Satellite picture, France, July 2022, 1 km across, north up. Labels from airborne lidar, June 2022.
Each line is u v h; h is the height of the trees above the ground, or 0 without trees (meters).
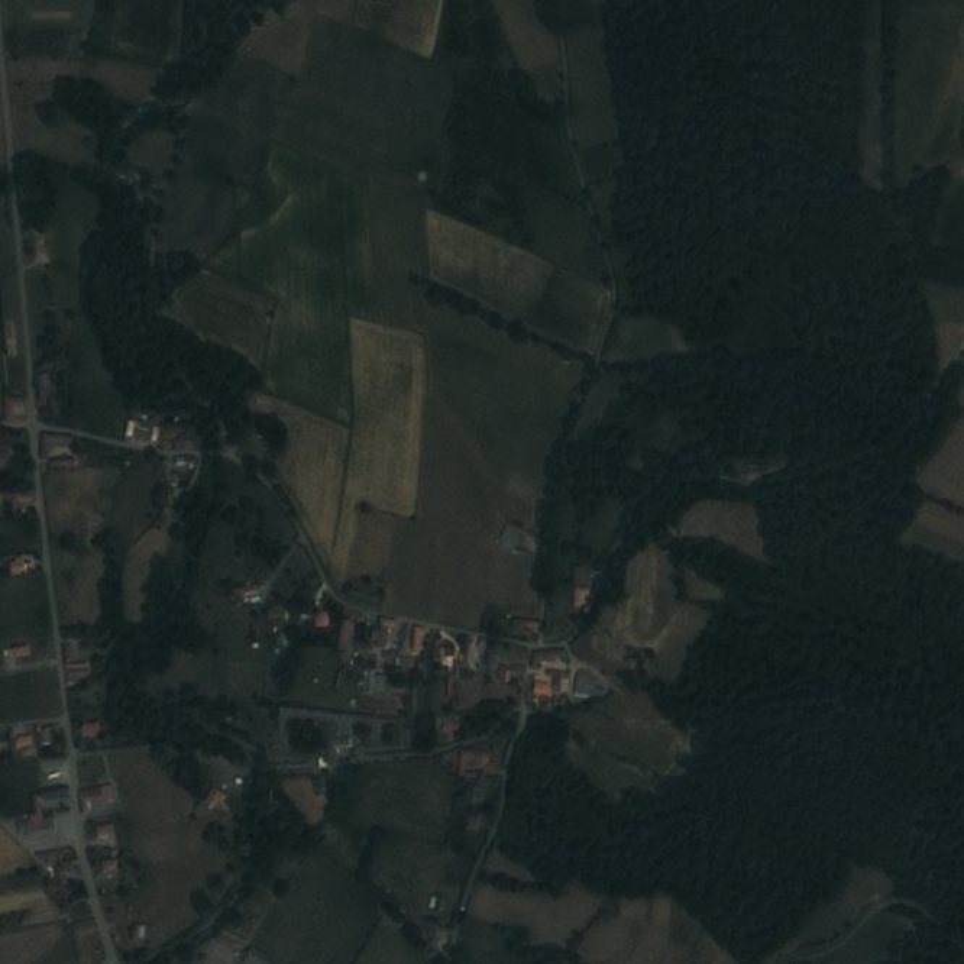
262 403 0
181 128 12
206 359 19
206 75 23
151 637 27
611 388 0
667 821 21
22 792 0
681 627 0
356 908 0
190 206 0
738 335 0
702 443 26
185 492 7
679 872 18
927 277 6
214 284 0
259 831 10
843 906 0
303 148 0
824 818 25
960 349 0
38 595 0
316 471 0
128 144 24
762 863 22
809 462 22
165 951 6
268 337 0
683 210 30
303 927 0
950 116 0
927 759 21
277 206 0
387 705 0
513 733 13
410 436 0
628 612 0
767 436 26
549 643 0
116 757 0
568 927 0
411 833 0
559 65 0
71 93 18
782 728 24
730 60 8
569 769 8
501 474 0
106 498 0
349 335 0
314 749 12
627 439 11
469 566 0
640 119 24
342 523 0
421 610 0
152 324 25
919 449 19
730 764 26
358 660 8
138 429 0
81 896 6
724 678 9
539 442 0
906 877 21
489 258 0
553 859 13
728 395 15
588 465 14
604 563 6
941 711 18
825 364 26
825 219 24
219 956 0
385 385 0
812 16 26
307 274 0
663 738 0
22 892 0
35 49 0
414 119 0
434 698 0
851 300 23
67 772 0
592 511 6
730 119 22
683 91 21
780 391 24
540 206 0
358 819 0
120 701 13
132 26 0
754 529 0
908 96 0
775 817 22
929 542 0
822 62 25
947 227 0
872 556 24
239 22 22
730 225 26
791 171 27
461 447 0
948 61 0
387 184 0
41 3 0
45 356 8
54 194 8
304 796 0
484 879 11
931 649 28
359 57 0
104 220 14
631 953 0
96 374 0
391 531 0
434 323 0
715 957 0
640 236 27
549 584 18
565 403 0
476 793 0
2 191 17
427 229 0
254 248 0
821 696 17
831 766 22
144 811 0
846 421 33
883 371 20
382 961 0
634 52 23
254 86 0
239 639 0
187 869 0
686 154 29
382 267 0
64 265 0
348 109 0
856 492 21
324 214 0
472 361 0
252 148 0
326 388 0
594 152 0
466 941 0
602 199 0
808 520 23
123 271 13
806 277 23
